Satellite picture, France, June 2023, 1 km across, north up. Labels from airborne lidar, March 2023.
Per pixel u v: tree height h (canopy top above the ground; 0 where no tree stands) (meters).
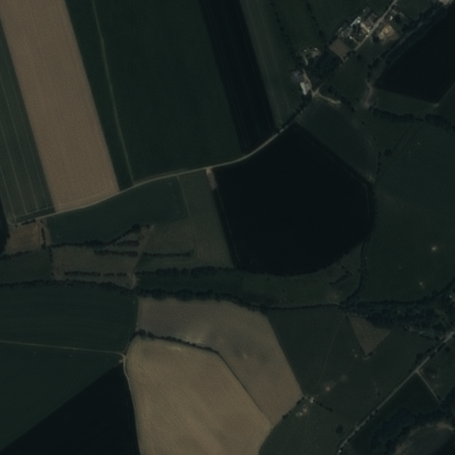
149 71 0
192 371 0
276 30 0
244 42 0
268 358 0
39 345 0
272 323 0
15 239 0
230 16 0
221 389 0
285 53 0
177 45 0
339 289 0
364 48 0
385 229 0
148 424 0
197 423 0
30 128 0
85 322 0
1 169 0
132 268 0
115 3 0
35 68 0
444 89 0
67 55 0
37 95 0
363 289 7
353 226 0
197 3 0
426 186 0
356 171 0
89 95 0
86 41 0
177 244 0
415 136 0
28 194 0
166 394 0
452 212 0
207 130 0
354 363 0
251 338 0
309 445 0
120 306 0
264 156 0
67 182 0
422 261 0
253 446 0
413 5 0
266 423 0
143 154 0
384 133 0
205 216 0
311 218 0
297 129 0
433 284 0
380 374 0
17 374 0
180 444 0
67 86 0
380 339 0
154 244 0
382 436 24
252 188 0
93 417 0
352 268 0
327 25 0
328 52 13
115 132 0
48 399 0
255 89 0
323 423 0
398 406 0
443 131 0
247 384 0
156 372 0
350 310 9
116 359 0
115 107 0
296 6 0
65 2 0
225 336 0
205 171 0
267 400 0
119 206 0
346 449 0
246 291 0
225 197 0
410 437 0
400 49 13
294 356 0
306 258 0
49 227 0
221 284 0
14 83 0
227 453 0
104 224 0
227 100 0
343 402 0
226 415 0
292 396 0
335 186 0
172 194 0
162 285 0
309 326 0
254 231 0
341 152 0
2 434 0
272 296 0
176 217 0
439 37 0
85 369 0
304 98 13
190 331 0
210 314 0
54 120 0
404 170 0
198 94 0
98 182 0
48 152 0
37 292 0
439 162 0
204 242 0
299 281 0
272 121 0
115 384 0
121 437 0
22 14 0
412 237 0
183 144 0
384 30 0
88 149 0
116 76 0
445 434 0
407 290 0
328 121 0
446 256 0
